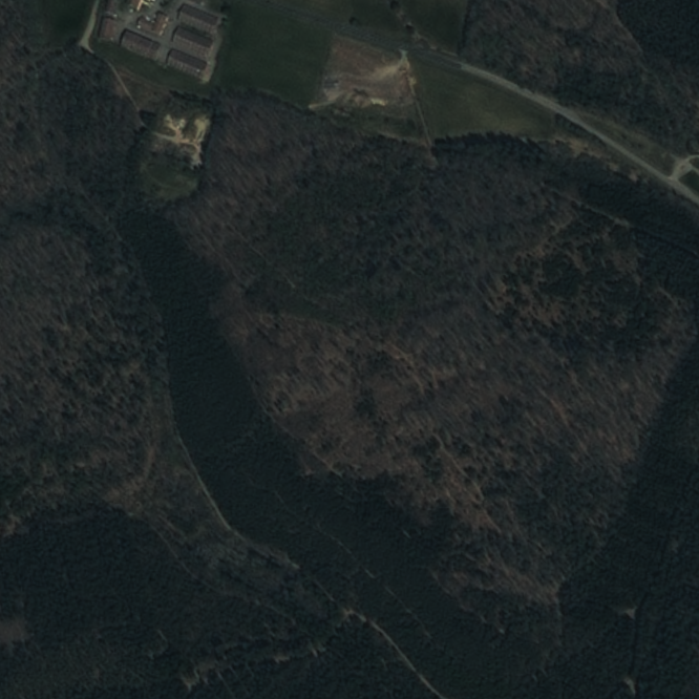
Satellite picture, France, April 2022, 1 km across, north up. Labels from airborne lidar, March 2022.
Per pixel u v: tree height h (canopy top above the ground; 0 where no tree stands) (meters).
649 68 30
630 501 25
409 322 13
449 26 0
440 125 0
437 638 11
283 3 0
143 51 0
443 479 8
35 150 23
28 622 12
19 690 24
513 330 7
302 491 12
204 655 10
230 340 14
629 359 27
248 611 13
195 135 0
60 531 22
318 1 0
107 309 21
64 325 23
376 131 0
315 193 36
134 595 18
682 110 24
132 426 23
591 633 19
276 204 28
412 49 0
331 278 16
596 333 10
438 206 26
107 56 0
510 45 20
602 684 17
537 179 20
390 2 7
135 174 21
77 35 0
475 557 15
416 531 13
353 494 15
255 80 0
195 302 19
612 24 23
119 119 22
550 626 21
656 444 25
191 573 15
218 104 17
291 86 0
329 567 15
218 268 11
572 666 21
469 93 0
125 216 19
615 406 28
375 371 8
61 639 13
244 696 22
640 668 27
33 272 26
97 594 13
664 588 27
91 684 27
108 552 19
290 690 14
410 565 13
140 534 12
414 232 18
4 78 20
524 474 22
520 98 0
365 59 0
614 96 17
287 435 13
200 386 15
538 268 8
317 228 14
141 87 0
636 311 8
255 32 0
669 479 21
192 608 11
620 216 9
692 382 23
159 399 25
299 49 0
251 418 13
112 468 24
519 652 14
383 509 15
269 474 13
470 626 15
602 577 19
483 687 16
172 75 0
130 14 0
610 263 7
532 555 21
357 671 14
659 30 14
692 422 23
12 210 27
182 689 17
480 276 27
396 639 14
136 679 23
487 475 13
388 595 14
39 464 21
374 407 7
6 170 22
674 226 13
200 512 14
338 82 0
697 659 18
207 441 14
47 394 23
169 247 21
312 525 10
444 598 14
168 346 15
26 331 27
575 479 20
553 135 0
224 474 12
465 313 27
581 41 25
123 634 16
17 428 26
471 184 23
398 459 6
